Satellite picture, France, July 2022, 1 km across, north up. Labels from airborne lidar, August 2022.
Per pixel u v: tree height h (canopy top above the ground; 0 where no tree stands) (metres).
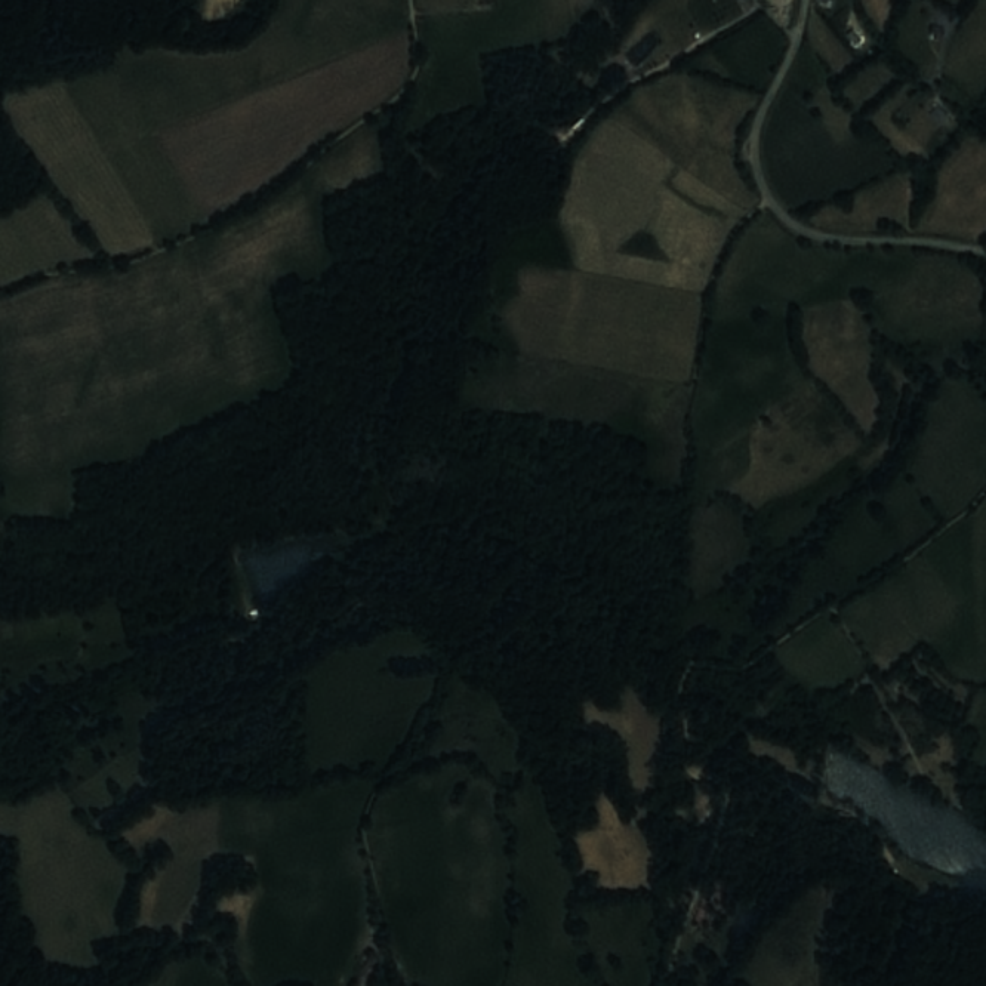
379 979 7
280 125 0
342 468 22
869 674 13
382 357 21
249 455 17
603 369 0
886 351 6
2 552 15
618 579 11
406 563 16
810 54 0
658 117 0
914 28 0
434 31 0
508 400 0
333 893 0
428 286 14
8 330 0
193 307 0
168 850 18
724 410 0
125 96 0
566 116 24
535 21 0
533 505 16
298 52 0
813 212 12
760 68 0
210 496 22
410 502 19
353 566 13
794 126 0
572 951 0
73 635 0
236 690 25
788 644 0
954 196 0
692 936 0
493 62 15
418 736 9
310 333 18
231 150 0
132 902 20
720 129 0
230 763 15
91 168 0
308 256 0
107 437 0
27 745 17
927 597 0
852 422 14
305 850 0
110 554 20
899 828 0
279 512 15
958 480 0
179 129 0
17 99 0
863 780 0
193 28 16
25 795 15
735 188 0
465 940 0
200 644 19
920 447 0
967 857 0
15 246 0
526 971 0
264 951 0
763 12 9
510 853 17
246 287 0
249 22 15
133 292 0
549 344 0
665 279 0
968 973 30
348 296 23
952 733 9
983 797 12
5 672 10
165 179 0
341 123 0
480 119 20
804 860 14
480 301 24
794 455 0
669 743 21
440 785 0
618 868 0
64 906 0
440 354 24
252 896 0
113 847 20
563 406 0
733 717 15
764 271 0
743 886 16
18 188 19
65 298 0
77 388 0
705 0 0
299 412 18
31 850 0
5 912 29
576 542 13
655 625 11
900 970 32
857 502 7
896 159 16
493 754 0
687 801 8
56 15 19
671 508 9
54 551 20
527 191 25
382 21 0
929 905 21
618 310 0
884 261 0
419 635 15
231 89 0
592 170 0
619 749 24
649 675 18
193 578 23
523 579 22
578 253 0
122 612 21
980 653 0
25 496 0
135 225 0
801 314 13
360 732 0
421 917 0
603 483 15
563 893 0
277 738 21
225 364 0
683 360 0
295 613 17
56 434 0
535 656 28
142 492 16
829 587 0
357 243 24
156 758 23
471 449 6
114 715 7
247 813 0
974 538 0
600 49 19
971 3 13
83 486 15
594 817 10
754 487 0
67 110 0
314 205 0
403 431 18
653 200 0
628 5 20
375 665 0
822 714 14
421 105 0
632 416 0
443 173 7
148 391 0
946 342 0
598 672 31
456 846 0
